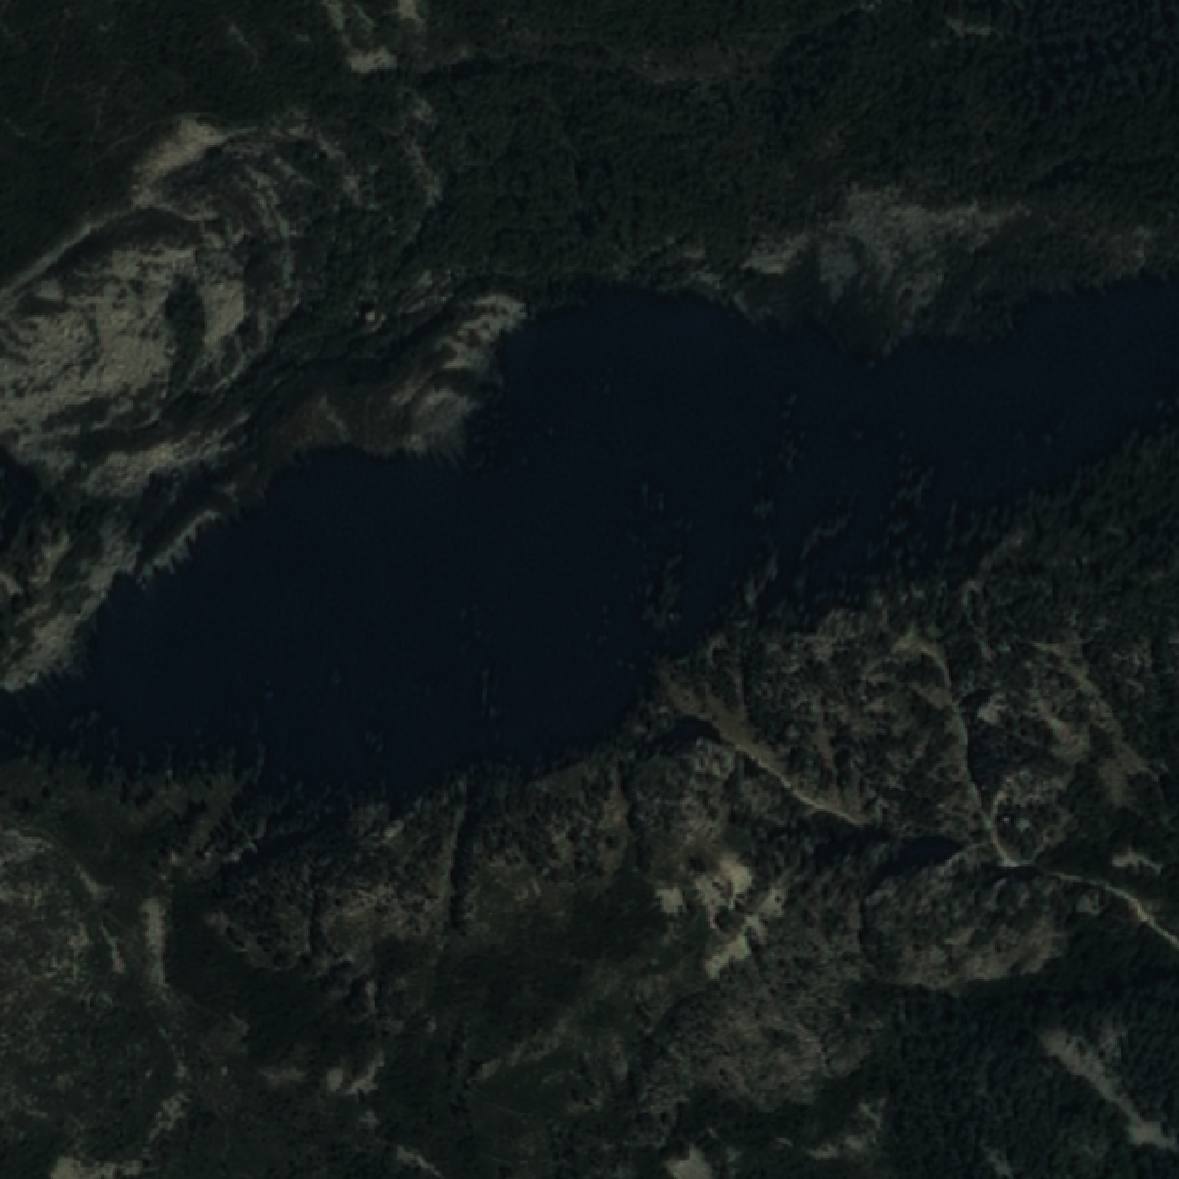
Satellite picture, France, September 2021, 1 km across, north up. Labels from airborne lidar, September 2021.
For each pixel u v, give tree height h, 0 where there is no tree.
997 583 10
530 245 6
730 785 10
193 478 0
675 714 17
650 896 6
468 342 0
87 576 0
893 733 12
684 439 9
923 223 0
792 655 12
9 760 0
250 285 0
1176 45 6
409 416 0
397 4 0
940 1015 7
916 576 6
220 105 7
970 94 5
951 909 7
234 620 6
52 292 0
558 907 0
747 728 0
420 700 18
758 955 11
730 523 13
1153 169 9
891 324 0
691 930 0
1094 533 8
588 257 7
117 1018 7
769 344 0
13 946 0
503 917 0
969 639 15
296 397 0
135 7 8
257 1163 0
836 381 0
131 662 0
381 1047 0
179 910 6
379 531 0
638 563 12
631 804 15
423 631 8
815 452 11
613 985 0
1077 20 23
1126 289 6
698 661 11
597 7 7
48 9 7
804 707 13
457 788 7
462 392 0
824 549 10
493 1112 0
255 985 7
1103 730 8
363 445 0
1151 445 12
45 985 0
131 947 0
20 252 11
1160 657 27
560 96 9
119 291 0
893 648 10
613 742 14
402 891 14
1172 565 15
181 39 7
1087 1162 7
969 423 12
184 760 18
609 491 14
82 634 0
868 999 7
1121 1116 13
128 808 13
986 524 15
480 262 6
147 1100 0
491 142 7
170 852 9
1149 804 7
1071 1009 16
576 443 0
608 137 6
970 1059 20
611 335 6
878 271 0
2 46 5
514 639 11
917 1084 11
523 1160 0
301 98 8
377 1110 7
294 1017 6
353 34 0
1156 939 13
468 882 7
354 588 8
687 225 7
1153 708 15
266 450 0
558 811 12
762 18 10
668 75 0
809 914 15
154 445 0
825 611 13
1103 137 10
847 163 8
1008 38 6
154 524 0
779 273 0
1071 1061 0
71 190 6
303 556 6
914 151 6
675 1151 14
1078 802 12
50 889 0
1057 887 8
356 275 6
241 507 0
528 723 0
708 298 0
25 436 0
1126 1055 15
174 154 0
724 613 12
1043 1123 19
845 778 14
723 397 6
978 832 12
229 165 0
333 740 7
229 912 21
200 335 6
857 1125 8
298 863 15
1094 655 13
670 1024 9
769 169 7
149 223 0
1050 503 18
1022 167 8
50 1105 0
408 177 7
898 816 6
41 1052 0
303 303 0
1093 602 7
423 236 6
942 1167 10
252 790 0
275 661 6
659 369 0
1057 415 19
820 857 15
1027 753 10
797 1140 8
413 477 0
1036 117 24
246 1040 7
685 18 9
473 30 7
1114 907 11
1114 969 6
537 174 6
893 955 11
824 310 0
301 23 7
